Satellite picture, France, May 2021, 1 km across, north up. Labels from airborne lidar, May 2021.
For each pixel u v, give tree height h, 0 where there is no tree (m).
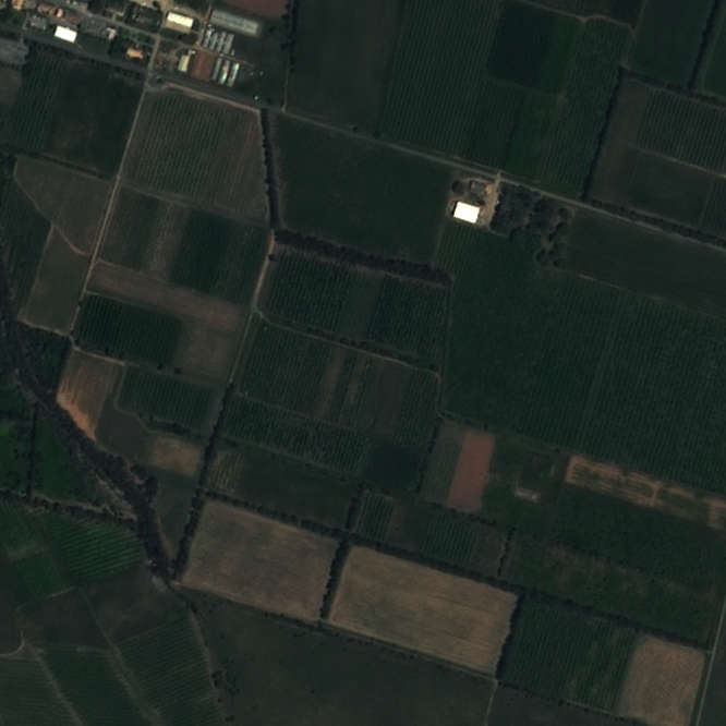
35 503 9
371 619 0
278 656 0
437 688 0
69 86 0
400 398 0
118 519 9
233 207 0
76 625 0
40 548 0
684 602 0
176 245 0
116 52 16
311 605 0
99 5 16
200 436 8
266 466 0
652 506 0
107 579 0
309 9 0
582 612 14
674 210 0
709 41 16
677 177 0
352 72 0
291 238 18
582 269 0
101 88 0
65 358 17
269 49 0
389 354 10
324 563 0
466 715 0
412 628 0
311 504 0
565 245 9
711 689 0
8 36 7
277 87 0
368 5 0
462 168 0
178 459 0
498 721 0
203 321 0
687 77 0
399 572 0
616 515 0
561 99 0
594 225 0
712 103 16
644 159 0
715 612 0
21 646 0
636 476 0
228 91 0
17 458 6
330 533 13
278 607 0
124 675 0
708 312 0
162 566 28
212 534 0
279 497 0
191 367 0
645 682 0
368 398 0
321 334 8
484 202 8
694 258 0
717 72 0
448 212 0
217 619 0
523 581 0
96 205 0
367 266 19
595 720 0
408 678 0
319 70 0
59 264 0
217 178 0
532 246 17
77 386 0
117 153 0
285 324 6
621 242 0
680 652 0
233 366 0
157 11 7
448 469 0
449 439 0
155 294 0
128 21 7
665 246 0
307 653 0
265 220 0
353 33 0
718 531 0
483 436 0
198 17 0
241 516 0
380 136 7
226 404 11
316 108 0
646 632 14
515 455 0
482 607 0
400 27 0
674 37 0
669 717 0
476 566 0
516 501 0
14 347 16
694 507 0
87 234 0
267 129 13
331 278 6
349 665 0
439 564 15
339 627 0
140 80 11
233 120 0
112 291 0
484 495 0
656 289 0
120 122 0
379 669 0
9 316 16
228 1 0
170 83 0
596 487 0
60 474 0
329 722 0
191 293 0
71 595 0
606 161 0
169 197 0
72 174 0
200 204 0
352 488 0
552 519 0
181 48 0
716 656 0
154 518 18
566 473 0
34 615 0
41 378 8
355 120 0
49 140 0
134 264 0
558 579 0
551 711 0
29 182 0
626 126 0
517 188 6
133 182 0
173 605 0
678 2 0
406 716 0
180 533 0
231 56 0
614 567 0
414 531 0
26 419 11
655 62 0
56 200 0
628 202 0
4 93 0
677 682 0
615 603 0
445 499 0
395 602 0
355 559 0
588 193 18
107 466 17
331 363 0
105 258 0
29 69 6
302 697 0
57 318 0
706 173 0
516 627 17
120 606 0
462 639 0
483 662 0
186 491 0
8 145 7
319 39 0
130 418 0
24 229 0
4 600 0
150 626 0
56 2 0
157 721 0
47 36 0
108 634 0
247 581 0
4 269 18
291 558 0
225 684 11
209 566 0
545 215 29
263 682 0
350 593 0
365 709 0
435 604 0
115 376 0
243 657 0
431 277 19
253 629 0
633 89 0
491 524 10
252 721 0
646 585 0
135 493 18
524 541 0
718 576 0
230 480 0
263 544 0
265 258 0
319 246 19
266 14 0
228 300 0
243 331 0
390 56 0
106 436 0
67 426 15
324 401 0
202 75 0
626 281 0
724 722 0
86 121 0
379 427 0
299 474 0
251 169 0
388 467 0
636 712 0
